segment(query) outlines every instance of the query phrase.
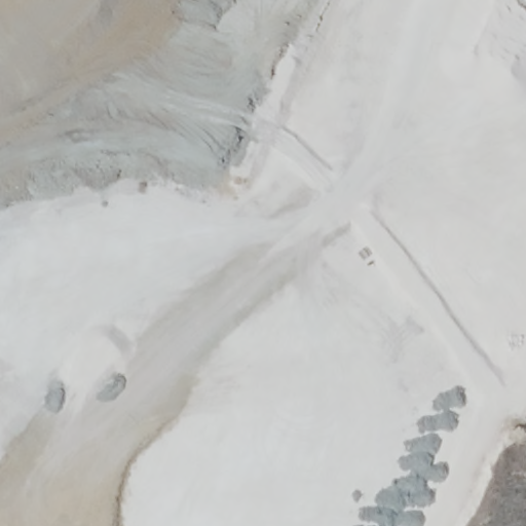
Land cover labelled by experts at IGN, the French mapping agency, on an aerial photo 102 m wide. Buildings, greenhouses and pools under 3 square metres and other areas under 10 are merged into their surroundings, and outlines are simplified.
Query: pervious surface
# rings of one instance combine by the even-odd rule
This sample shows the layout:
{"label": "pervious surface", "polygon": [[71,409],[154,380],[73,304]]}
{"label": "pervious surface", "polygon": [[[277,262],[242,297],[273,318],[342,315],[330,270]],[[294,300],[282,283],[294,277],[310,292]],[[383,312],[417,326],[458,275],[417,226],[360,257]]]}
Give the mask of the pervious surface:
{"label": "pervious surface", "polygon": [[0,0],[0,526],[468,526],[475,518],[477,508],[483,501],[497,458],[508,446],[520,444],[526,436],[526,0]]}

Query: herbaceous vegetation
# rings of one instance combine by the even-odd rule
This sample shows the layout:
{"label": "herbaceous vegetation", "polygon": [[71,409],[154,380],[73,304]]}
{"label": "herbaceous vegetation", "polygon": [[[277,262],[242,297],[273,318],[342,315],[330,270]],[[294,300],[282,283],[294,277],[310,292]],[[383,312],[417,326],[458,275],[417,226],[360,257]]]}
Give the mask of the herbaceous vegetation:
{"label": "herbaceous vegetation", "polygon": [[508,446],[497,458],[483,501],[477,508],[475,518],[468,526],[526,526],[526,436],[520,444]]}

